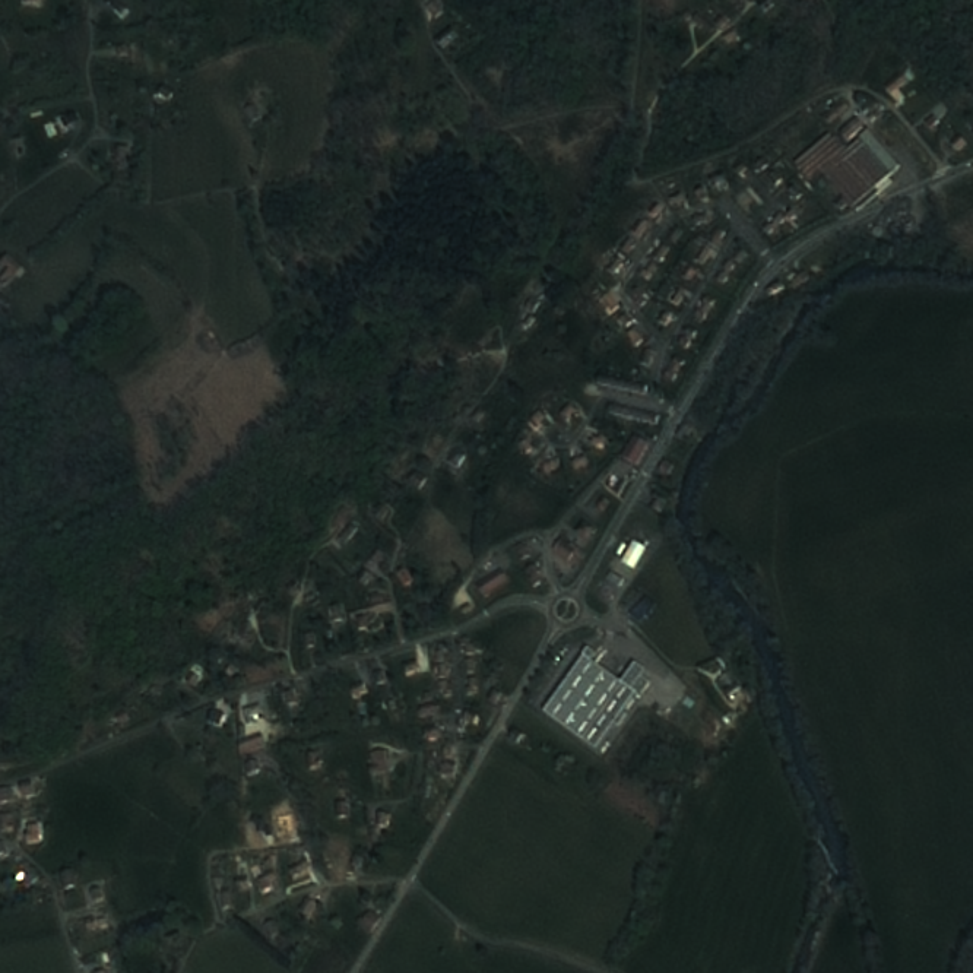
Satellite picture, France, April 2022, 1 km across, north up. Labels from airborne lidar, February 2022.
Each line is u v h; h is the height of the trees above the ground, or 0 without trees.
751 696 18
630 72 25
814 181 7
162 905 18
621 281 0
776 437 0
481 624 0
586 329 0
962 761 0
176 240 0
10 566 19
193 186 0
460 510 0
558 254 23
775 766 0
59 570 18
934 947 0
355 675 0
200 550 34
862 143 0
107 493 20
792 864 0
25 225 0
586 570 0
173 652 16
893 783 0
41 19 0
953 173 0
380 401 29
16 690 22
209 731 9
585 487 0
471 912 0
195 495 27
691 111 9
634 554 0
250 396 0
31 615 18
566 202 0
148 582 31
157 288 0
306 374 27
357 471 26
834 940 0
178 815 0
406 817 0
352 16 26
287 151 0
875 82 0
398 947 0
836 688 0
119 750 0
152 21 11
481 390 0
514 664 0
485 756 0
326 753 0
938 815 0
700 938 0
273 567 6
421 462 14
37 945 0
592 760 0
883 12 26
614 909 0
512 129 0
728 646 24
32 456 24
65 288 0
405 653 0
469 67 9
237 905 0
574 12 21
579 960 0
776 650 17
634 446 0
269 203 11
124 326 20
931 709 0
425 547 0
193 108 0
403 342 24
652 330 0
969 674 0
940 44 7
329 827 0
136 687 13
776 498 0
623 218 0
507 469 0
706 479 12
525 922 0
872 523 0
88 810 0
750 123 20
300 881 0
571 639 0
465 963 0
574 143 0
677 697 0
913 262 18
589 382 0
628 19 20
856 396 0
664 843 17
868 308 0
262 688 0
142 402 0
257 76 0
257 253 19
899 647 0
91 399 27
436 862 0
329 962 0
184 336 0
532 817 0
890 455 0
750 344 23
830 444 0
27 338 23
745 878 0
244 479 26
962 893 0
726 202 0
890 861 0
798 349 19
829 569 0
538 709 0
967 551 0
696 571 17
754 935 0
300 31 19
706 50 0
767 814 0
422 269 24
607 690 0
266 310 0
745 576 19
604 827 0
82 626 27
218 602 26
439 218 25
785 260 0
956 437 0
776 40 9
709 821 0
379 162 21
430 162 13
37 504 20
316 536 12
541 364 0
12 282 0
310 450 30
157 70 0
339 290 19
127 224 0
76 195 0
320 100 0
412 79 0
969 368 0
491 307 21
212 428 0
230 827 0
